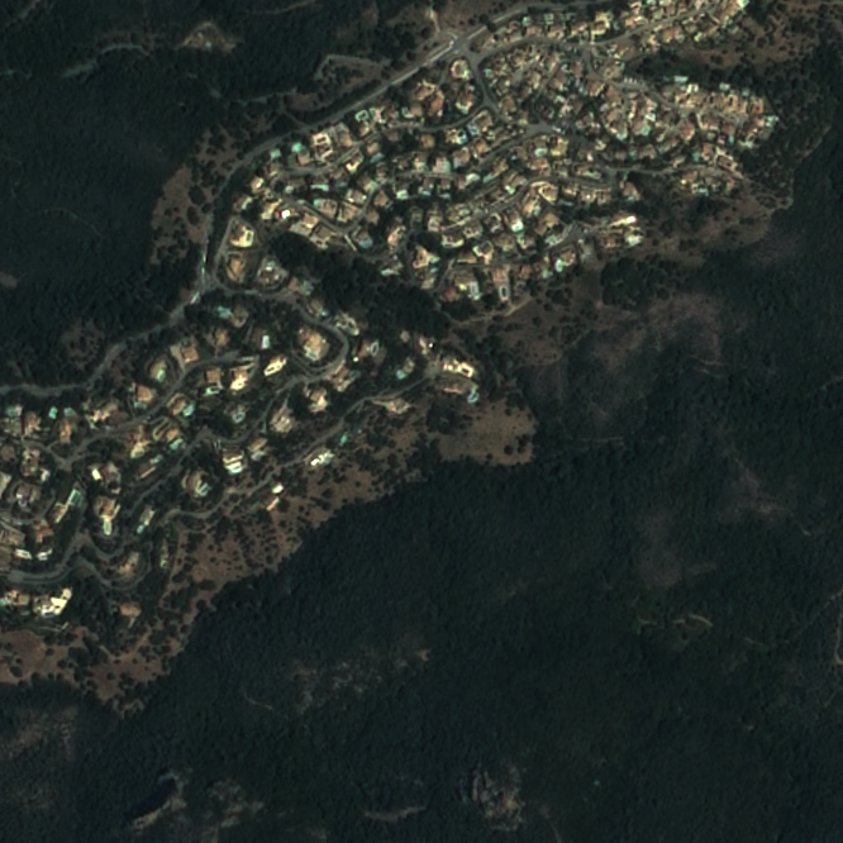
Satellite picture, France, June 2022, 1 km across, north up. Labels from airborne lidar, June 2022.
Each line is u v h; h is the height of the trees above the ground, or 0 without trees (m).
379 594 5
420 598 10
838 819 7
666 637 13
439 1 8
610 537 12
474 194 7
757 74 11
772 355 10
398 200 6
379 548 7
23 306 17
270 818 11
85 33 10
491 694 13
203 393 8
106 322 8
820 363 8
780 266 8
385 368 9
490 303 14
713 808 10
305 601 11
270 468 6
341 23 7
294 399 7
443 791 10
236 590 16
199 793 12
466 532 8
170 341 9
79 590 18
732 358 7
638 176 13
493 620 7
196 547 11
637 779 12
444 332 14
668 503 7
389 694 10
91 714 8
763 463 8
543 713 12
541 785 6
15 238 7
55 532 8
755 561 12
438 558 12
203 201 9
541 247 10
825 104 13
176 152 6
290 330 6
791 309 10
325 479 8
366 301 14
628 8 8
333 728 15
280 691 5
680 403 10
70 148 10
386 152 11
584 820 11
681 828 7
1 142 10
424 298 16
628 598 10
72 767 7
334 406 7
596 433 7
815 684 8
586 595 9
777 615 12
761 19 6
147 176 6
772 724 11
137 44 8
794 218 6
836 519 8
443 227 8
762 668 7
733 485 7
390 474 12
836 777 12
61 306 12
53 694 8
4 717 7
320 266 11
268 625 15
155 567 7
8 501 7
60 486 10
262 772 8
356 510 12
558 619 12
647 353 8
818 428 18
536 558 8
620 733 10
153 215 7
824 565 8
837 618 7
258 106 14
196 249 9
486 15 8
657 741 11
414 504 9
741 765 8
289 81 12
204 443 11
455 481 16
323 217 6
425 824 10
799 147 11
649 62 15
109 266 8
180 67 14
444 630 13
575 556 7
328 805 14
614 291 13
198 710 8
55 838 7
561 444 7
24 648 0
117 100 8
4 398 7
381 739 6
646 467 9
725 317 6
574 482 13
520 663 16
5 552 0
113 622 7
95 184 6
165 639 13
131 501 8
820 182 13
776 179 8
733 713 16
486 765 7
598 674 12
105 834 11
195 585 15
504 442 0
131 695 12
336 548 11
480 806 7
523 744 7
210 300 9
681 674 12
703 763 8
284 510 14
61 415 9
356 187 10
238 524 7
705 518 7
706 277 6
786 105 10
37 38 11
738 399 16
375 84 7
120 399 8
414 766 7
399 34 7
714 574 6
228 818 6
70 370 13
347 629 10
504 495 13
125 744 6
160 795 10
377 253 6
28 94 8
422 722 7
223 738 17
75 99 9
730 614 15
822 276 6
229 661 9
